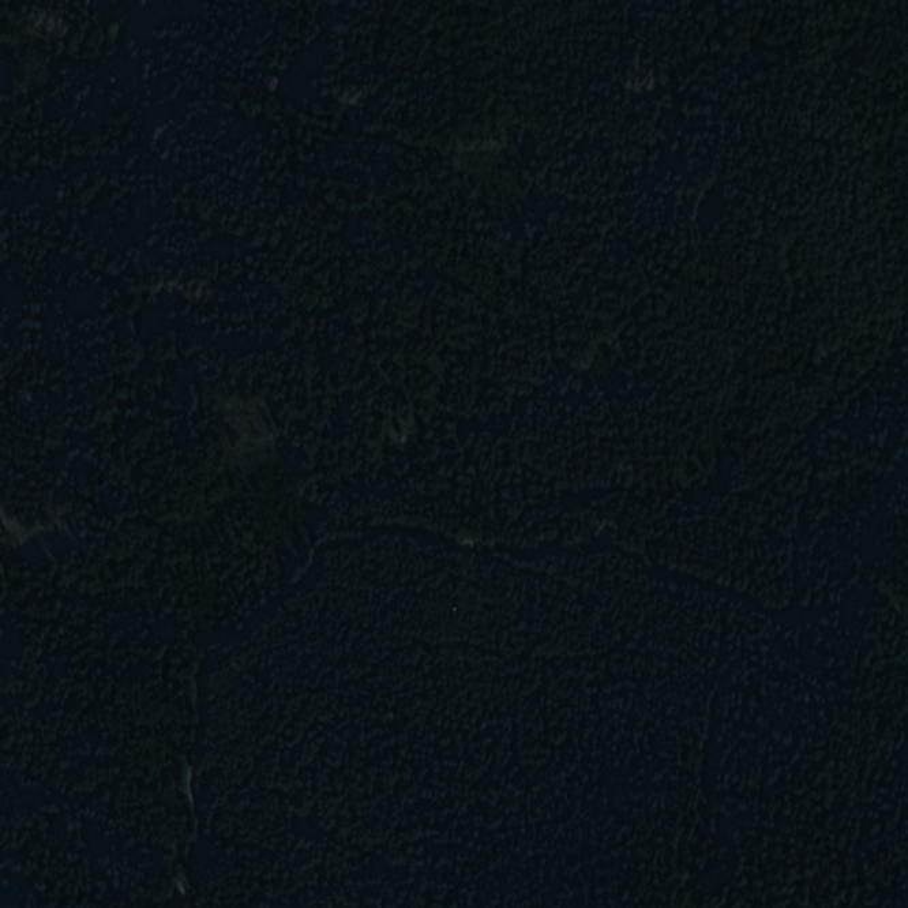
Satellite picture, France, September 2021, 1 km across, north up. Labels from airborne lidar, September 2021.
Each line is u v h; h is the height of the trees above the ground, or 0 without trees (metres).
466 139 22
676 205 31
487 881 21
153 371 15
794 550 21
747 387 30
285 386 32
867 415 20
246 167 35
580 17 29
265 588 11
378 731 25
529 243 18
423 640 24
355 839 24
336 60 33
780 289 35
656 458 24
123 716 15
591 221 35
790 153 36
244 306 20
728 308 27
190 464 16
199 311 19
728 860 14
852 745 19
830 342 30
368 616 21
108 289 15
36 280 8
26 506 28
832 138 29
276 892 20
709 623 26
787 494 31
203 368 29
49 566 24
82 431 30
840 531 17
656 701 25
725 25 24
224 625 8
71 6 30
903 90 12
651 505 18
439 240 11
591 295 33
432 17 28
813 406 23
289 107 10
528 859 30
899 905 9
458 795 23
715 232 27
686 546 31
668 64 29
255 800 21
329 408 8
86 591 36
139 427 13
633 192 35
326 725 23
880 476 35
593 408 32
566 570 26
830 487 21
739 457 24
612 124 37
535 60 33
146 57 29
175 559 19
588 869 26
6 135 16
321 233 22
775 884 14
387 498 11
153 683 13
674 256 30
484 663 20
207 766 25
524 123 22
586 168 33
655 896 9
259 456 0
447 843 19
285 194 21
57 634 22
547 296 29
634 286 24
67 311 18
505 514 26
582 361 30
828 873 19
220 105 35
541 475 30
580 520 28
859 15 24
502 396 30
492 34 29
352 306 16
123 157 14
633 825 22
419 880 7
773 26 22
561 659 22
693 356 27
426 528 23
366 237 29
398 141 28
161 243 35
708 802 10
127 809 21
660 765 25
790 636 16
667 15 31
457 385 14
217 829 25
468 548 0
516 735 28
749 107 27
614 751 19
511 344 31
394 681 23
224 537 12
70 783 11
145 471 18
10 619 11
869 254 29
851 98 11
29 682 32
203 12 31
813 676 8
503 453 19
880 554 16
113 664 14
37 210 22
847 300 27
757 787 27
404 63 26
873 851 25
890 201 17
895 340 25
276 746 25
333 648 22
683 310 31
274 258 21
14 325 33
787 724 26
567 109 35
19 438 26
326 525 20
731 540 23
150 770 19
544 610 24
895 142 18
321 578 22
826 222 25
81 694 23
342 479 14
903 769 17
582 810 8
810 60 22
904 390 22
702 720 28
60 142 18
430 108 29
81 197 22
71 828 30
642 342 28
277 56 35
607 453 22
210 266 30
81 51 7
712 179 31
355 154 10
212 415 33
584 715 30
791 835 20
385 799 23
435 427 20
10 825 22
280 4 39
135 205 20
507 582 18
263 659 19
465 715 18
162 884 26
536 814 23
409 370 10
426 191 24
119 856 25
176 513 7
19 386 22
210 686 18
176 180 32
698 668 31
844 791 16
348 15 33
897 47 18
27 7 15
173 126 34
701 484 17
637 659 31
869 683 13
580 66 35
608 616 31
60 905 7
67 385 23
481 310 6
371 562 26
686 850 13
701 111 29
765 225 26
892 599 13
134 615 7
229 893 29
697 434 29
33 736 31
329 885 13
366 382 32
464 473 22
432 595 16
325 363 8
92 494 30
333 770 26
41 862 22
